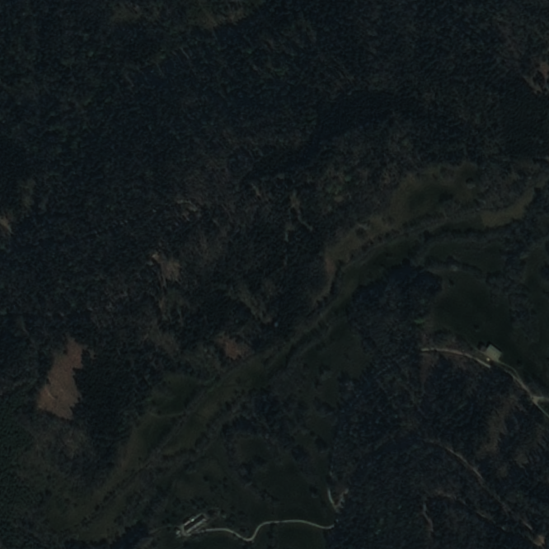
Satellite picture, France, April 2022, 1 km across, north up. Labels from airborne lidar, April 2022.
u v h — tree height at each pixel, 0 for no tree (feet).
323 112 33
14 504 46
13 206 72
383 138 78
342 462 75
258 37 40
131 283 81
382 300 113
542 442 0
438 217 50
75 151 120
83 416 72
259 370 0
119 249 93
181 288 76
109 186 90
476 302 0
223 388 0
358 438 83
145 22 63
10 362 102
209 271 91
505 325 0
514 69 60
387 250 0
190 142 115
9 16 83
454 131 120
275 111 115
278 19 58
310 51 96
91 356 48
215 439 35
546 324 0
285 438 99
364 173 65
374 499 77
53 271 105
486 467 83
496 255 0
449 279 0
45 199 100
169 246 56
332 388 0
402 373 76
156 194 73
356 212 102
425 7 82
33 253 104
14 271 120
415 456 88
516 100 56
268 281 67
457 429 104
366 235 58
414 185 0
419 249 77
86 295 89
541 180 29
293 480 0
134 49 82
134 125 107
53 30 79
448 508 79
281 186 86
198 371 64
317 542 0
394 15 101
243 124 109
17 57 59
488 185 60
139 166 87
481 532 79
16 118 87
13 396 46
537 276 0
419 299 99
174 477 0
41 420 71
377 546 74
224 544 0
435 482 89
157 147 104
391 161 73
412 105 62
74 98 82
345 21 93
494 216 0
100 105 89
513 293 73
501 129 75
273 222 106
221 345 32
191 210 0
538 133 62
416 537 75
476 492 89
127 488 28
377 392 85
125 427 68
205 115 70
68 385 0
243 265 92
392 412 100
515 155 64
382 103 62
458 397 115
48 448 69
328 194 65
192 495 0
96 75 80
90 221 86
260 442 0
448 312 0
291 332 82
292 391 35
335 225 66
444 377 99
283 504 0
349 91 79
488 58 72
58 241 94
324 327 77
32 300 112
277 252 102
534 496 114
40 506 54
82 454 95
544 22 62
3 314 84
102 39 86
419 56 88
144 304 97
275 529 40
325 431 0
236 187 92
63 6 85
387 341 67
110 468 73
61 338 101
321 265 77
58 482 27
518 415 0
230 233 67
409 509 64
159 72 67
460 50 52
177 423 55
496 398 111
